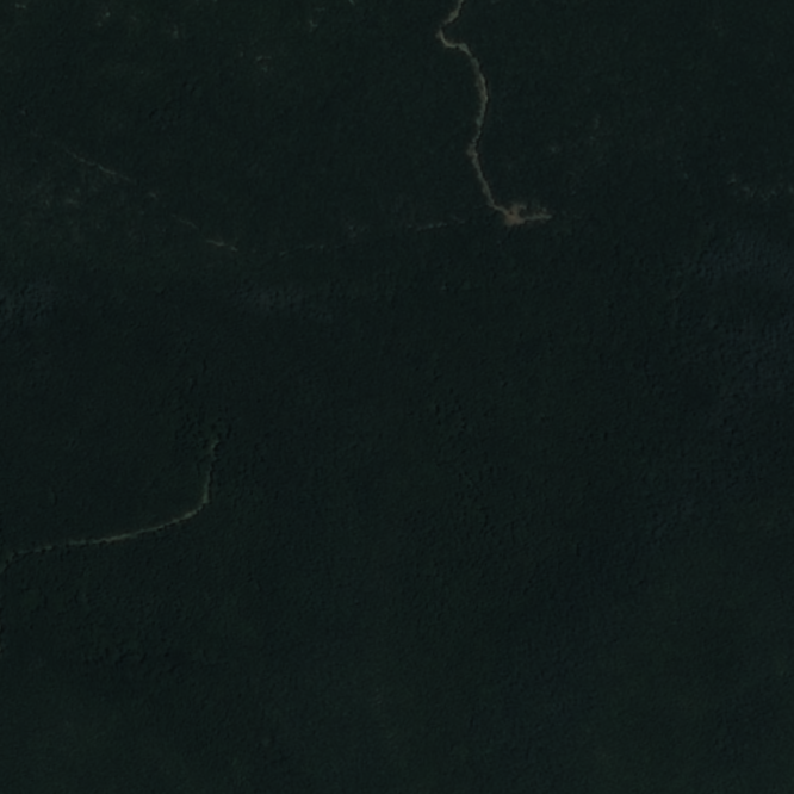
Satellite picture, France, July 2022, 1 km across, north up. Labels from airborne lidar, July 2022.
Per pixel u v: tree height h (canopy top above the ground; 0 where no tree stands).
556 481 21
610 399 28
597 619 9
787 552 14
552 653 10
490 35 6
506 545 18
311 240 6
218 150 8
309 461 18
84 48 13
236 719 17
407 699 11
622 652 6
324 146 10
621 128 7
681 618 9
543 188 10
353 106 7
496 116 8
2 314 15
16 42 8
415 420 25
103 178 7
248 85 8
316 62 9
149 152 8
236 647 17
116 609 19
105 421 14
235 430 29
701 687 14
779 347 11
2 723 10
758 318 13
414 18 9
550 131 8
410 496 18
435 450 26
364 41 11
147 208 8
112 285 19
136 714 16
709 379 11
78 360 18
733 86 9
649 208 11
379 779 9
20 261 16
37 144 9
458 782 14
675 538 11
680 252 17
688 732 13
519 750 9
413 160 9
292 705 10
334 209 8
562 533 23
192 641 27
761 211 6
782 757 6
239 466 16
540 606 17
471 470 28
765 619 6
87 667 24
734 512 11
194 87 17
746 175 7
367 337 14
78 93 12
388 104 8
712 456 19
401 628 16
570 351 22
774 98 8
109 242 9
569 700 7
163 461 19
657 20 9
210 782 11
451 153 10
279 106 12
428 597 21
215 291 18
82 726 9
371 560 12
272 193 9
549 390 24
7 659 16
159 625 14
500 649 20
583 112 8
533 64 7
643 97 8
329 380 15
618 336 27
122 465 16
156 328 25
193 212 8
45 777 9
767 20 8
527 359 21
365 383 18
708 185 9
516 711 11
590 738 7
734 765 9
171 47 11
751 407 10
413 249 16
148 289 15
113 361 20
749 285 17
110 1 7
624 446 23
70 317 18
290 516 21
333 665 9
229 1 8
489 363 22
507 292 12
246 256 8
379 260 15
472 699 20
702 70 6
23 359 16
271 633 16
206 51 14
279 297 14
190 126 7
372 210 8
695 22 7
